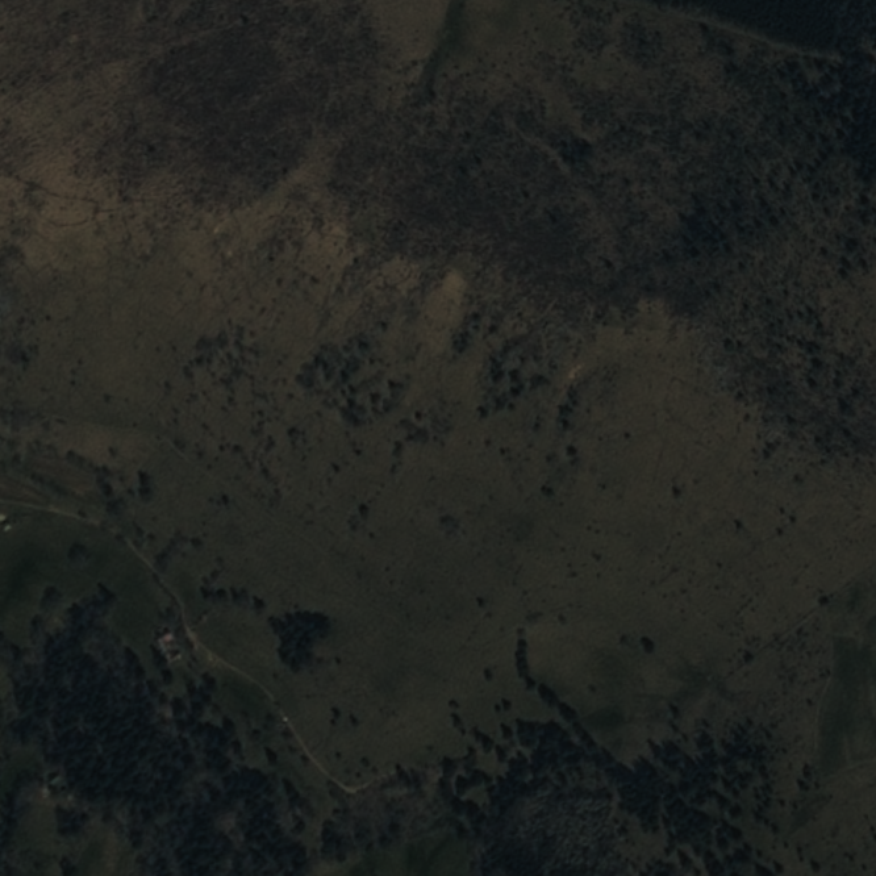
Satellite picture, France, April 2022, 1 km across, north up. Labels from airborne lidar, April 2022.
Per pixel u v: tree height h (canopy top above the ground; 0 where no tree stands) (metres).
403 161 0
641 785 19
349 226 0
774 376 0
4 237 0
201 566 0
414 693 0
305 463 0
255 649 0
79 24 0
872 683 0
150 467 0
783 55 0
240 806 22
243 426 0
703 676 0
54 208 0
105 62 0
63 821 20
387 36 0
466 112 0
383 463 0
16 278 0
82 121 0
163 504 0
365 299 0
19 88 0
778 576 0
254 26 0
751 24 20
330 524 0
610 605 0
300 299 0
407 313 0
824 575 0
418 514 0
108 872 0
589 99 0
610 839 11
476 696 0
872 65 20
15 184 0
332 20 0
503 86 0
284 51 0
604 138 0
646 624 0
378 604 0
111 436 0
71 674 19
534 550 0
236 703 0
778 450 8
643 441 0
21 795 22
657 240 0
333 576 0
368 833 18
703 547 0
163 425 0
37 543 0
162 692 7
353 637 0
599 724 0
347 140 0
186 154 0
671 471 0
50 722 19
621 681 0
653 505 0
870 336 0
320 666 9
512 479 0
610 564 0
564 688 0
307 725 0
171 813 28
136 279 0
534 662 0
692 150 0
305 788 0
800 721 0
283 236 0
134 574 0
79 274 0
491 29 0
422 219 0
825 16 26
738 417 0
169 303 0
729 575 0
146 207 0
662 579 0
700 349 0
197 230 0
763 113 0
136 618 0
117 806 15
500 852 15
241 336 7
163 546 0
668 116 0
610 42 0
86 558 19
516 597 0
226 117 0
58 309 0
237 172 0
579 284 0
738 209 13
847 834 0
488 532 0
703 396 0
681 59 0
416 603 0
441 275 0
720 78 0
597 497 0
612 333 0
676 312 0
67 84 0
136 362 0
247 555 0
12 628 0
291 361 0
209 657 0
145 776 17
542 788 16
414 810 18
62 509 0
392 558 0
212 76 0
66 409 0
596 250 0
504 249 0
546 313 0
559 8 0
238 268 0
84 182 0
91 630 22
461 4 0
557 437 0
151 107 0
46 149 0
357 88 0
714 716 0
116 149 0
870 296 0
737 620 0
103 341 0
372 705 0
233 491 0
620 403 0
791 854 0
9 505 0
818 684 0
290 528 0
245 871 27
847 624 0
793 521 8
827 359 0
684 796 12
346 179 0
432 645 0
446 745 0
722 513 0
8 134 0
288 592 0
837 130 0
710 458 0
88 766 30
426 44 0
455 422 0
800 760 0
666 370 0
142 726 21
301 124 0
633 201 9
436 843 0
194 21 0
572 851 14
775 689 0
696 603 0
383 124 0
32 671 15
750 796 0
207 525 0
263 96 0
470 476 0
